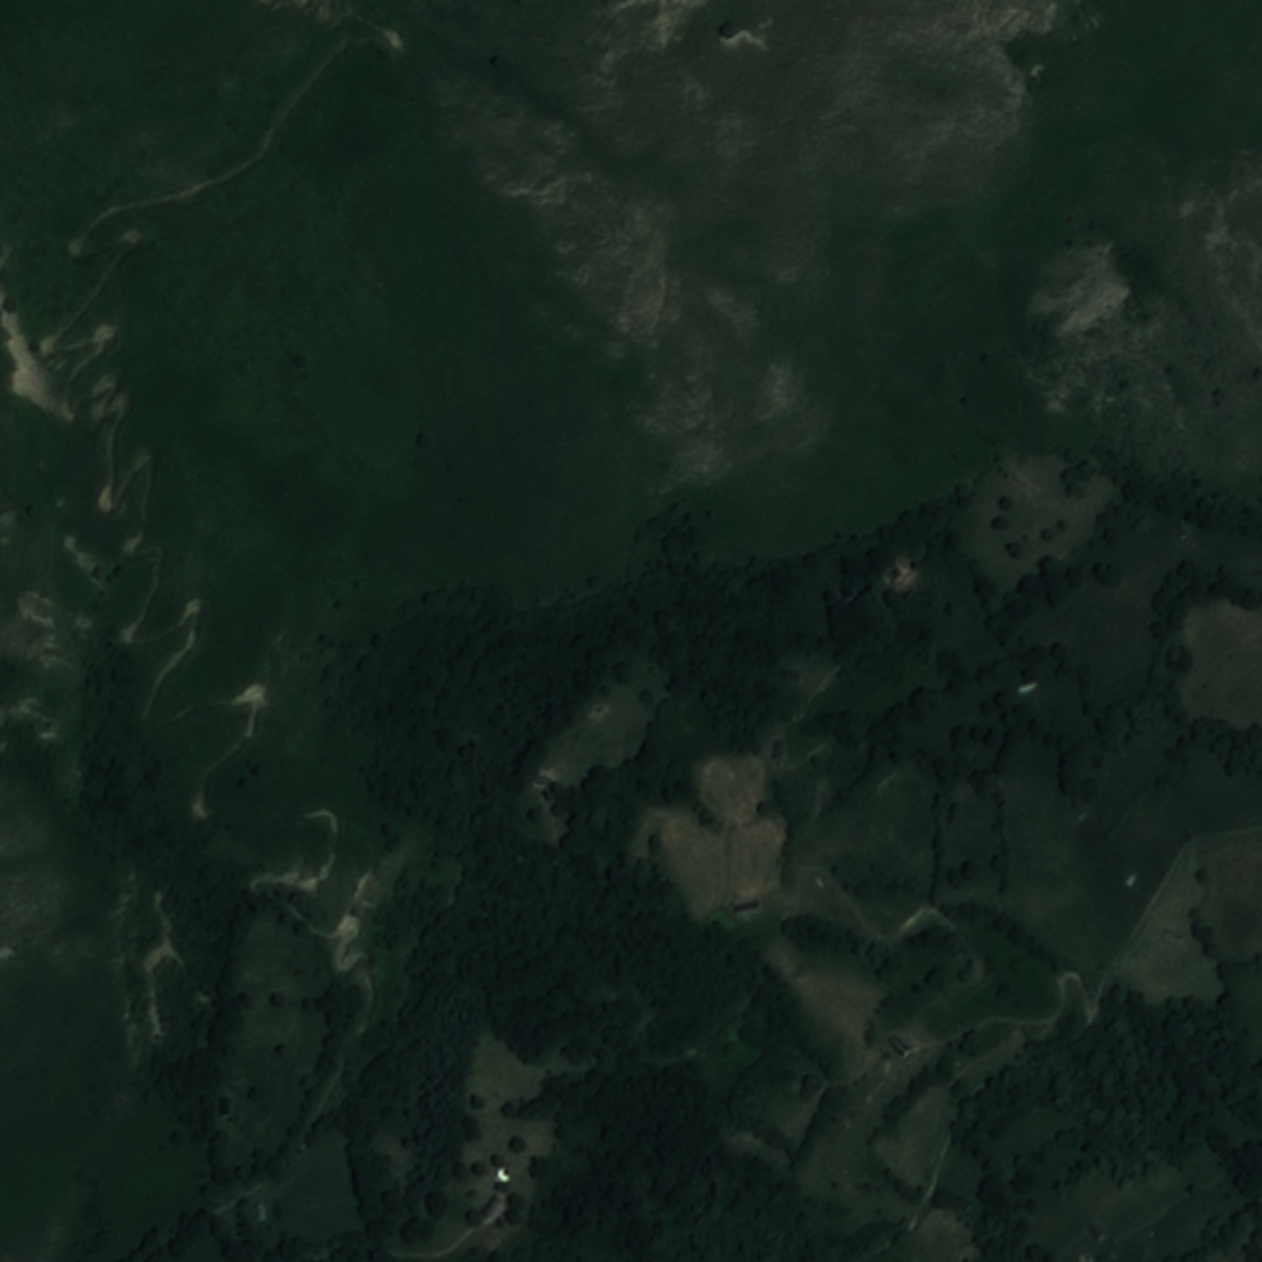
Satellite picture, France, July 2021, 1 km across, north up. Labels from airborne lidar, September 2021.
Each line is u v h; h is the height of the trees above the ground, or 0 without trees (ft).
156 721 0
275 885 0
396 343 0
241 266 0
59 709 20
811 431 0
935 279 0
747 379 0
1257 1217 65
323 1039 0
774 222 0
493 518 0
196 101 0
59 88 0
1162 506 64
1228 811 0
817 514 0
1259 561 0
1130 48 0
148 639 0
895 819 0
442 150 0
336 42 0
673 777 21
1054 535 36
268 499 0
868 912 0
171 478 0
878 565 81
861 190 0
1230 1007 64
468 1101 22
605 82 0
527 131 0
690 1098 58
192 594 0
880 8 0
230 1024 69
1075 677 31
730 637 26
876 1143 24
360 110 0
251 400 0
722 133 0
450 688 21
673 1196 54
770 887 0
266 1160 48
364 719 20
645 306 0
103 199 0
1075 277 0
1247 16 0
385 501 0
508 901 63
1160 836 0
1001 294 0
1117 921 0
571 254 0
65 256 0
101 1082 0
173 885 25
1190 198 0
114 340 0
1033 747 56
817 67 0
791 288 0
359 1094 27
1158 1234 0
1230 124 0
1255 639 0
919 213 0
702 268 0
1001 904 0
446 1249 0
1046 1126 0
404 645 29
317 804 0
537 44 0
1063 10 0
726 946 51
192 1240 64
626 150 0
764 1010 33
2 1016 0
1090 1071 57
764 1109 0
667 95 0
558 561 0
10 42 0
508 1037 73
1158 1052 83
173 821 28
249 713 0
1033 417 0
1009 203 0
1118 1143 57
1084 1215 0
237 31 0
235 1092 0
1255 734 41
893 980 56
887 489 0
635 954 62
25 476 0
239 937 64
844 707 0
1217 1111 61
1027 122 0
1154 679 42
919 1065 0
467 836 27
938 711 62
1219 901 0
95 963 0
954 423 0
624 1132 24
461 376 0
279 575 0
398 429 0
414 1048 36
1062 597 75
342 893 0
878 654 24
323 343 0
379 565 0
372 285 0
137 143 0
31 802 0
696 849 0
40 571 0
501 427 0
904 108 0
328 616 0
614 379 0
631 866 77
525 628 46
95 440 0
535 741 24
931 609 27
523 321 0
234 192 0
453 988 79
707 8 0
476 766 56
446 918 38
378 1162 29
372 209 0
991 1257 70
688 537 52
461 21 0
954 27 0
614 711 0
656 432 0
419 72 0
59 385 0
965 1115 44
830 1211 24
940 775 52
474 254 0
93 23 0
